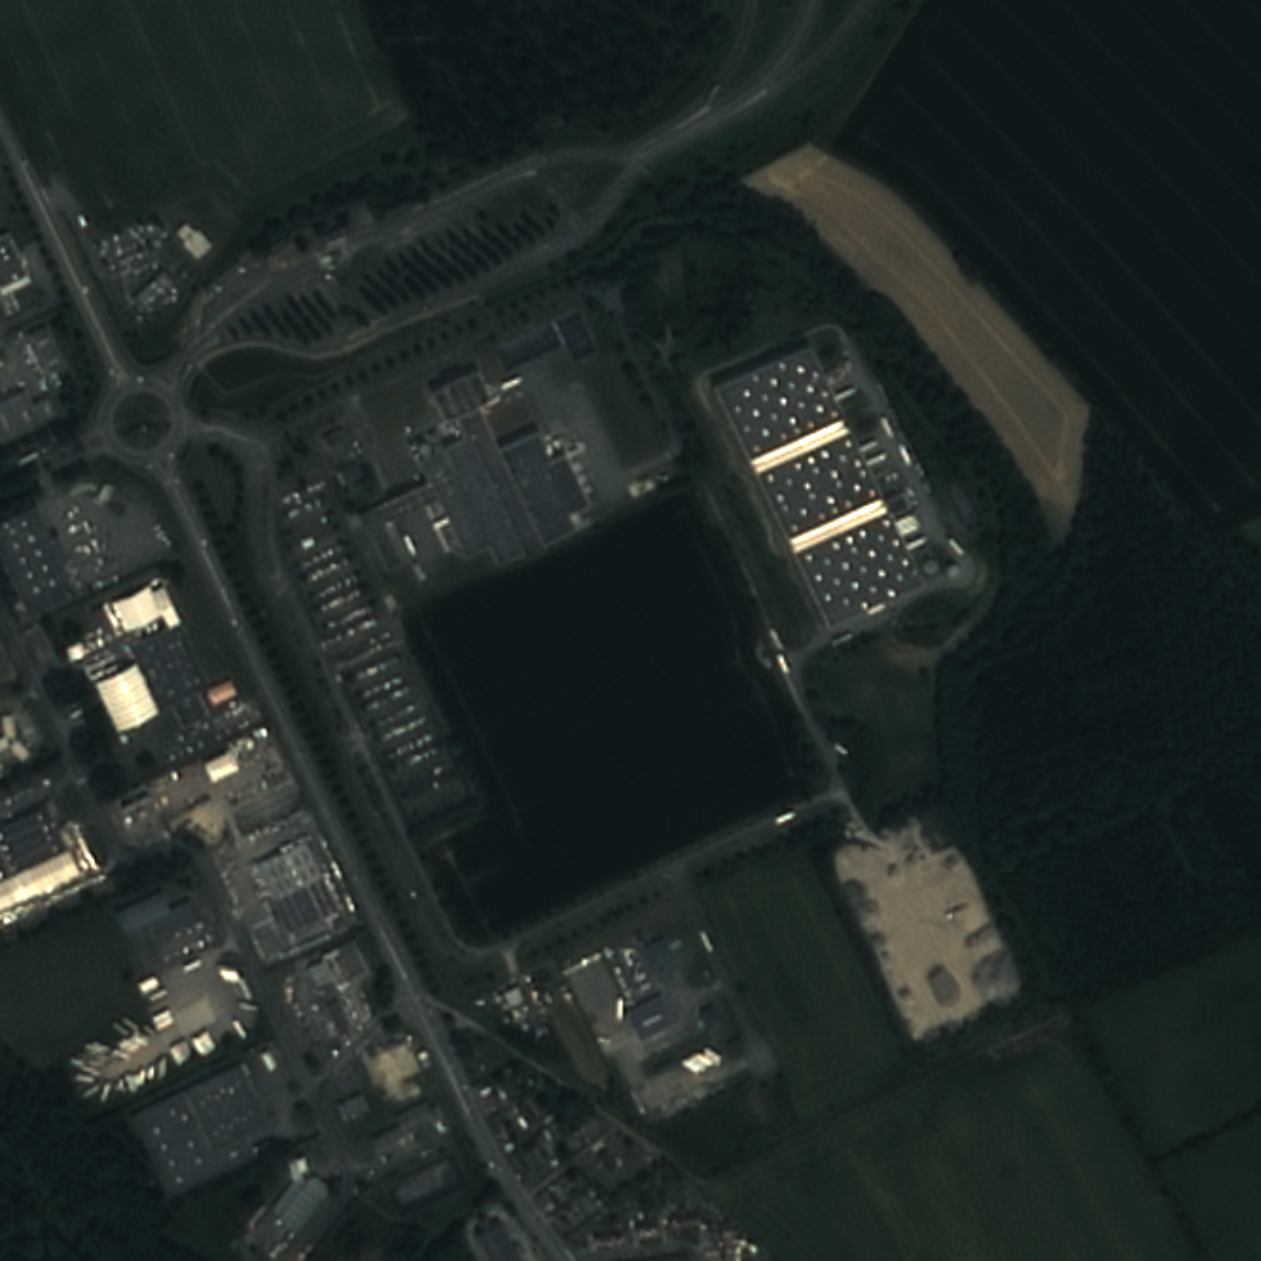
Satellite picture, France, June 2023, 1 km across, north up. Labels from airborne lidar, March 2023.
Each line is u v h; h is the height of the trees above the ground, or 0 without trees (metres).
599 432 0
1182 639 17
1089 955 16
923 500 0
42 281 0
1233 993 0
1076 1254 0
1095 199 0
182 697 0
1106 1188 0
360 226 0
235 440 0
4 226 0
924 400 11
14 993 0
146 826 0
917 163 0
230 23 0
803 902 0
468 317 0
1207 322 0
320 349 0
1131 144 0
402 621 0
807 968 0
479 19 0
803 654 0
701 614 0
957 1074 0
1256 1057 0
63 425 14
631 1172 0
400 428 0
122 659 0
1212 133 0
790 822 0
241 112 0
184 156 0
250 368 0
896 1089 0
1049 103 0
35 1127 16
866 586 0
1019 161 0
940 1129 0
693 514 0
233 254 0
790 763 0
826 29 0
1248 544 7
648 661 0
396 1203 0
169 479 0
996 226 0
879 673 0
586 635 0
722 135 0
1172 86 0
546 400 0
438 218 0
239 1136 0
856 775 15
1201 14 0
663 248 9
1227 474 0
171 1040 0
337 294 0
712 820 0
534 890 0
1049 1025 0
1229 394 0
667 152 0
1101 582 11
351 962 0
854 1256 0
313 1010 0
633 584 0
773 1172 0
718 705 0
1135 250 0
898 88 0
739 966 0
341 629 0
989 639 8
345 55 0
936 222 0
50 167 0
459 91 0
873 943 0
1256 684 15
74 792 0
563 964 0
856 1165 0
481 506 0
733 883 0
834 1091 0
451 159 0
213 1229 0
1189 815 18
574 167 0
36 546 0
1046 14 0
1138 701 11
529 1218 0
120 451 0
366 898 0
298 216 8
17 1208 22
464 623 0
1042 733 12
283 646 0
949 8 0
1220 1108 0
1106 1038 0
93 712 11
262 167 0
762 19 0
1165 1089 0
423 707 0
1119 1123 0
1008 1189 0
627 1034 0
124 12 0
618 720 0
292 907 0
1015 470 13
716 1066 0
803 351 0
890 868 0
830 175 0
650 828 0
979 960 0
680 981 0
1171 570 16
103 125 0
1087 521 13
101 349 0
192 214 0
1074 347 0
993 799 22
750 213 20
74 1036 0
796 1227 0
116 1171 15
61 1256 24
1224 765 19
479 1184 0
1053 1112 0
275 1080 0
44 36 0
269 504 0
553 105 0
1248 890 18
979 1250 0
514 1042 10
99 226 0
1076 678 29
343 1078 0
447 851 0
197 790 0
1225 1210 0
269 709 0
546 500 0
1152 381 0
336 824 0
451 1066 0
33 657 0
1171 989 0
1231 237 0
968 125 0
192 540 0
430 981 7
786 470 0
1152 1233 0
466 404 0
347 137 0
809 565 0
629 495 0
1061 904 12
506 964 0
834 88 0
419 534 0
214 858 0
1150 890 17
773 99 0
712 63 0
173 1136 0
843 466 0
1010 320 0
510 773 0
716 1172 0
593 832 0
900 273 0
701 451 8
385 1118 0
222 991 0
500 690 0
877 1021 0
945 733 14
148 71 0
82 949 0
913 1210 0
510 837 0
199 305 0
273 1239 0
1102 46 0
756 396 0
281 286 0
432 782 0
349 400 0
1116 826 16
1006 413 0
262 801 0
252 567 0
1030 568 8
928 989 0
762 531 0
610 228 9
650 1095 0
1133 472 11
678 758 0
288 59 0
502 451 0
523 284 0
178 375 0
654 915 0
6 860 0
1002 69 0
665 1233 0
